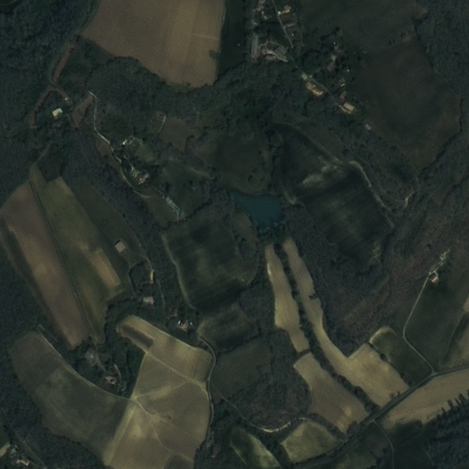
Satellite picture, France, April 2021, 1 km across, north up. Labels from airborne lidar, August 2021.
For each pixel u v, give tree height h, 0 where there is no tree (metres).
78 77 0
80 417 0
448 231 16
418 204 14
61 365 0
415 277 16
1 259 14
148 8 0
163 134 0
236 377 0
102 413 0
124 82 18
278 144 32
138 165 11
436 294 0
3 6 0
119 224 0
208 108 25
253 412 14
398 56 0
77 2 22
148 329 0
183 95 10
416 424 0
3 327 19
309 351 7
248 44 10
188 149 15
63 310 0
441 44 26
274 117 26
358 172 0
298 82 12
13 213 0
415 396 0
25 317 21
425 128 0
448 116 0
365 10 0
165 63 0
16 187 15
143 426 0
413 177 14
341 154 0
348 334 14
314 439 0
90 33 0
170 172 0
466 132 13
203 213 15
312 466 10
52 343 17
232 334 0
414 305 0
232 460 15
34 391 0
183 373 0
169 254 21
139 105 17
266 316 21
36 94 5
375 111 0
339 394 0
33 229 0
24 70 12
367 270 0
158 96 17
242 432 0
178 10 0
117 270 0
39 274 0
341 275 20
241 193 0
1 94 18
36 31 11
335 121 18
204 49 0
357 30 0
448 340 0
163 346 0
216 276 0
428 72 0
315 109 25
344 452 12
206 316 0
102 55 0
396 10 0
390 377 0
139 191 0
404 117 0
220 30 0
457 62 23
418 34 13
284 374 15
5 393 18
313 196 0
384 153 16
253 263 21
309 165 0
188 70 0
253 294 22
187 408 0
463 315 0
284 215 13
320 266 16
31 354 0
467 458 9
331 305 18
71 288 0
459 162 26
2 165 16
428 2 22
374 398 0
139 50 0
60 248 0
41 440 20
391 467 0
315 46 0
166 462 0
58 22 18
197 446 0
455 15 19
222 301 0
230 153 0
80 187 0
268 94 21
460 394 0
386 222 0
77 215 0
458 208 21
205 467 20
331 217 0
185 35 0
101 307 0
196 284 0
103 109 22
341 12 0
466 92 24
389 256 18
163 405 0
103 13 0
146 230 19
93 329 0
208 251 0
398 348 0
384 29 0
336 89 8
